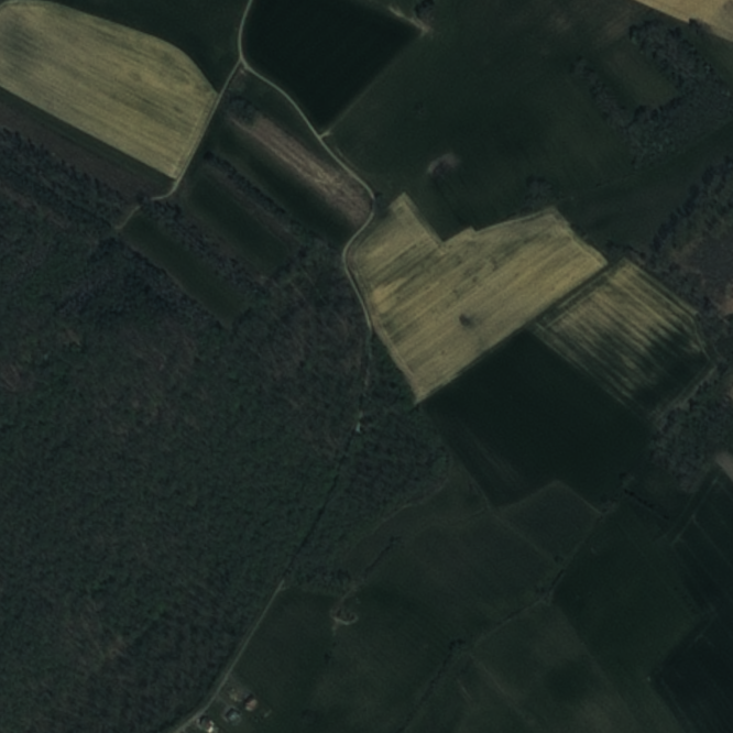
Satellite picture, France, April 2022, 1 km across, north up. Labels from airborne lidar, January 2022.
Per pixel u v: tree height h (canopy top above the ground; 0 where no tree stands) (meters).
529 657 0
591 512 0
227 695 0
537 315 0
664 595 0
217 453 27
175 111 0
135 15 0
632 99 0
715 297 0
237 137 0
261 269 0
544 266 0
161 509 27
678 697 0
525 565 0
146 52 0
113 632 25
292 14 0
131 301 28
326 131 0
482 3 0
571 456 0
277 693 0
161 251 0
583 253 0
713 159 0
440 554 0
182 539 25
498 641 0
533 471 0
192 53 0
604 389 0
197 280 0
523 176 0
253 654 0
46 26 0
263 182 0
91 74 0
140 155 0
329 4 0
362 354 24
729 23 0
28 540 22
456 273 0
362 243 0
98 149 0
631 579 0
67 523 23
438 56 0
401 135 0
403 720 0
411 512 0
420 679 0
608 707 0
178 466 24
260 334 25
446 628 0
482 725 0
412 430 26
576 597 0
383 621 0
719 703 0
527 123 0
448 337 0
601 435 0
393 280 0
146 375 28
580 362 0
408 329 0
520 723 0
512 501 0
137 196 0
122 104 0
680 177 0
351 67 0
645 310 0
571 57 0
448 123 0
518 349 0
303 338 27
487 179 0
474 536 0
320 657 0
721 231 32
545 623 0
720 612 0
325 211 0
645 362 0
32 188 27
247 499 24
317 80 0
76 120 0
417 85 0
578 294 0
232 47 0
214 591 24
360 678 0
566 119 0
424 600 0
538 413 0
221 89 0
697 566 0
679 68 22
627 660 0
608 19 0
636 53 0
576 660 0
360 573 0
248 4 0
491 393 0
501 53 0
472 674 0
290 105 0
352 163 0
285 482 26
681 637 0
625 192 0
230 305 0
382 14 0
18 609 23
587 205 0
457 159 0
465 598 0
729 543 0
